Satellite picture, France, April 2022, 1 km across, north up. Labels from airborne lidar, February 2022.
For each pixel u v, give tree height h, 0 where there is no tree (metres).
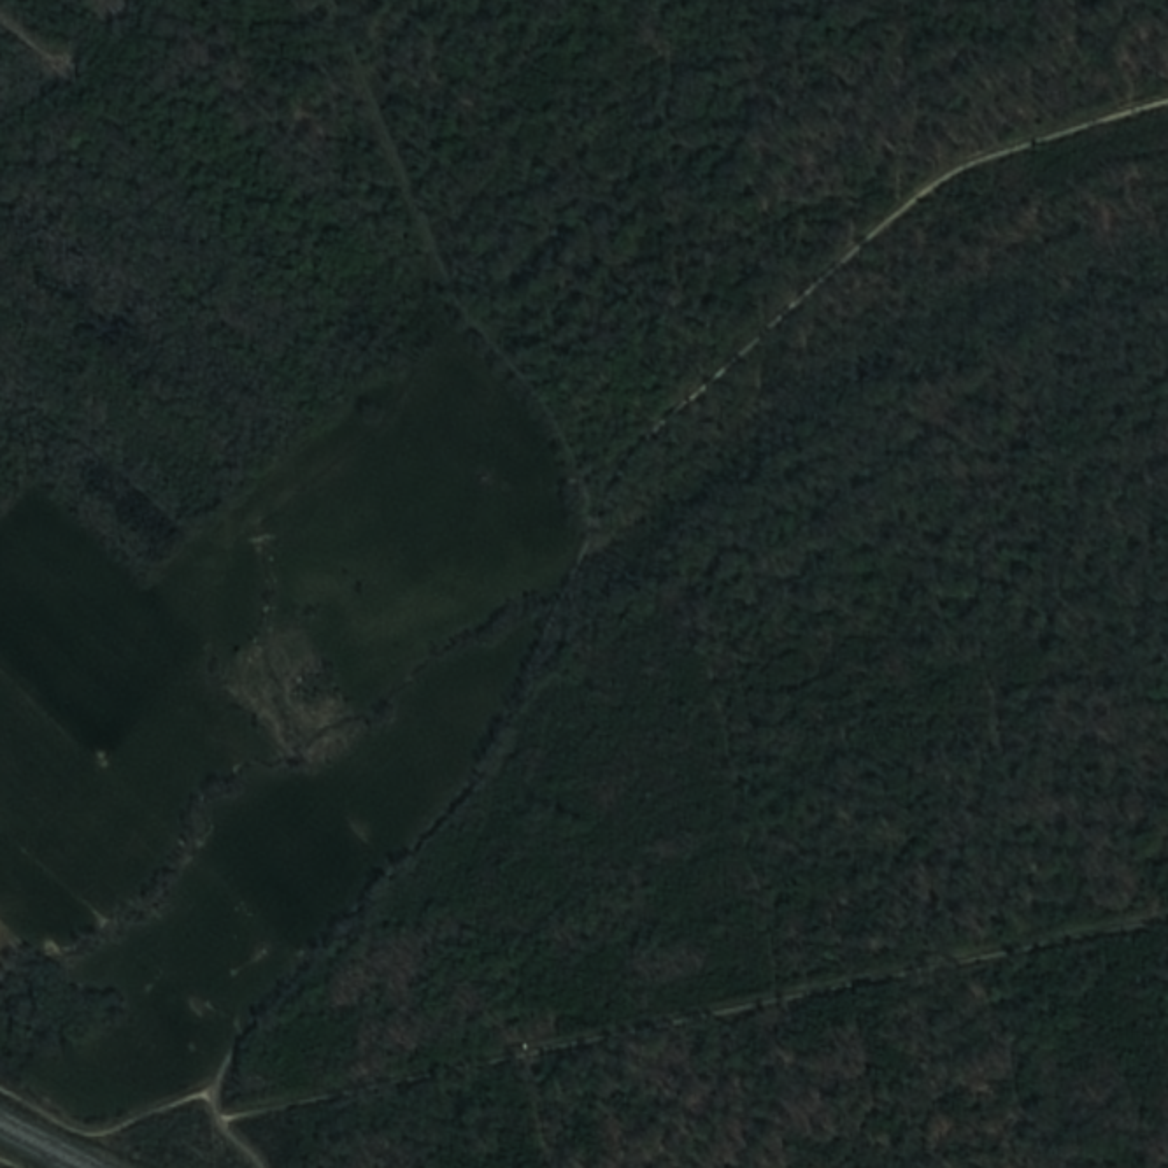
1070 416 26
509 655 0
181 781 0
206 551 0
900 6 5
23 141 23
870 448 27
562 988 18
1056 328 26
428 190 20
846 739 24
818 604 27
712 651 22
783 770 22
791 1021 23
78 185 23
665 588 23
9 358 22
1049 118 26
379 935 21
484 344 21
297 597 0
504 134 23
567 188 27
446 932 21
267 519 0
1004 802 27
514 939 12
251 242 20
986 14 29
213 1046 0
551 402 17
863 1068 25
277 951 0
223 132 23
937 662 28
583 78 9
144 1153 0
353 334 19
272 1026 21
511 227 27
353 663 0
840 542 30
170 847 0
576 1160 23
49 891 0
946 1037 27
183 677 0
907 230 9
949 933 27
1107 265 22
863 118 27
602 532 27
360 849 0
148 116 24
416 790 0
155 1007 0
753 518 26
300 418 18
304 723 0
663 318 24
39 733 0
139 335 24
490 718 0
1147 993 25
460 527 0
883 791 27
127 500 11
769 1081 10
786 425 25
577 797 11
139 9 17
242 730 0
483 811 13
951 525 28
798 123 18
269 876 0
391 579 0
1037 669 11
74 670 0
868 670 16
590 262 30
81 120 25
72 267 26
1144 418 26
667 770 12
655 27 29
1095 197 25
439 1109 26
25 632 0
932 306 24
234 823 0
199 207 26
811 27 27
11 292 19
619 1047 21
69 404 22
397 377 16
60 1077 0
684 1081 19
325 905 0
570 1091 27
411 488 0
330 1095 0
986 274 26
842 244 25
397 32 26
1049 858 27
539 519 0
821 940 23
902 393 25
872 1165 9
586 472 16
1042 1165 25
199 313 23
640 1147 25
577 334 26
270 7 24
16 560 0
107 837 0
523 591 0
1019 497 28
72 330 21
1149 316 25
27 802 0
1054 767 25
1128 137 6
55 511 0
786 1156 21
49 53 0
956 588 25
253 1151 0
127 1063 0
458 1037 19
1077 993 24
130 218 21
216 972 0
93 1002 16
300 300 23
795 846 26
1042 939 20
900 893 25
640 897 21
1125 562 21
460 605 0
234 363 18
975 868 25
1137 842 25
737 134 24
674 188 28
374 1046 21
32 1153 0
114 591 0
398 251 25
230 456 16
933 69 26
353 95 23
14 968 18
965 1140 11
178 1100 0
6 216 20
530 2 24
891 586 28
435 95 28
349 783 0
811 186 26
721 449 23
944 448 29
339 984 21
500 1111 25
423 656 0
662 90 22
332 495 0
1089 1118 26
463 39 23
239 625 0
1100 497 26
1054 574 28
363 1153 27
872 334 25
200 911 0
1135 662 27
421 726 0
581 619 26
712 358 24
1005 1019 25
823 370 21
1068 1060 7
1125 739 25
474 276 27
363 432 0
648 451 19
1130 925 0
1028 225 22
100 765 0
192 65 27
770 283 25
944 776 26
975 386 29
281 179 21
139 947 0
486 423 0
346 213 27
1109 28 29
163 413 14
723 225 16
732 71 22
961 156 23
